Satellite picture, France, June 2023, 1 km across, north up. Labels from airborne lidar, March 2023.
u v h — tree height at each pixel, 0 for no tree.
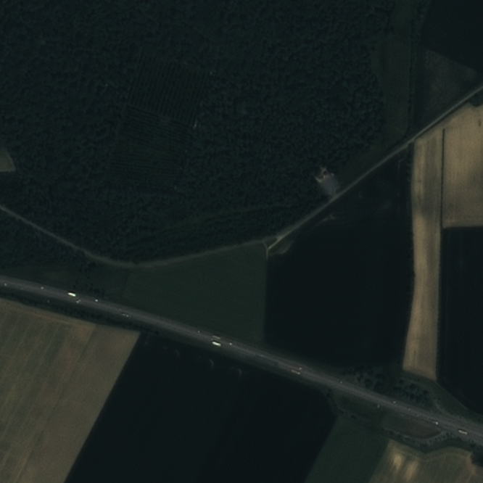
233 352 0
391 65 0
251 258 0
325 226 0
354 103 21
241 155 19
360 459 0
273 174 18
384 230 0
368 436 0
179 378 0
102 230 17
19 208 11
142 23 22
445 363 0
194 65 20
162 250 8
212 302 0
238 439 0
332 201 0
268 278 0
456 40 0
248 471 0
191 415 0
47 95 20
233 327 0
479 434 0
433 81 0
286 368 0
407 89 0
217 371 0
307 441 0
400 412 0
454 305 0
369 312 0
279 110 20
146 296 0
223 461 0
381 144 0
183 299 0
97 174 22
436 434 0
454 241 0
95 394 0
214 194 17
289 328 0
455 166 0
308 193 17
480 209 0
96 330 0
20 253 17
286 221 9
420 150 0
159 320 0
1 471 0
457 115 0
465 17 0
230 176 19
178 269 0
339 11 25
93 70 22
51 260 16
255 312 0
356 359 0
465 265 0
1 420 0
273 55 21
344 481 0
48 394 0
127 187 19
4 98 23
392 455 0
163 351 0
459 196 0
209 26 25
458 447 0
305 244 0
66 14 20
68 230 19
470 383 0
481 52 0
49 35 22
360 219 0
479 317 0
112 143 15
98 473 0
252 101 20
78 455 0
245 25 16
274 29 20
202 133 21
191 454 0
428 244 0
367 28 29
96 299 0
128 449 0
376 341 0
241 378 0
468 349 0
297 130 22
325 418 0
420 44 0
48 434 0
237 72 22
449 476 0
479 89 0
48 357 0
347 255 0
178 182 16
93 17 23
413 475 0
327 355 0
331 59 27
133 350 0
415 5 0
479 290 0
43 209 24
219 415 0
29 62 23
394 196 0
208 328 0
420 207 0
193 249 8
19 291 0
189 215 13
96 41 22
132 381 0
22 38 26
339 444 0
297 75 18
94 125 20
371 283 0
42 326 0
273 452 0
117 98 21
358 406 0
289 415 0
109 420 0
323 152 21
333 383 0
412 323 0
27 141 23
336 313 0
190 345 0
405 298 0
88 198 19
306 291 0
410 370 0
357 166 0
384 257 0
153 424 0
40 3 21
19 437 0
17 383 0
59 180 22
